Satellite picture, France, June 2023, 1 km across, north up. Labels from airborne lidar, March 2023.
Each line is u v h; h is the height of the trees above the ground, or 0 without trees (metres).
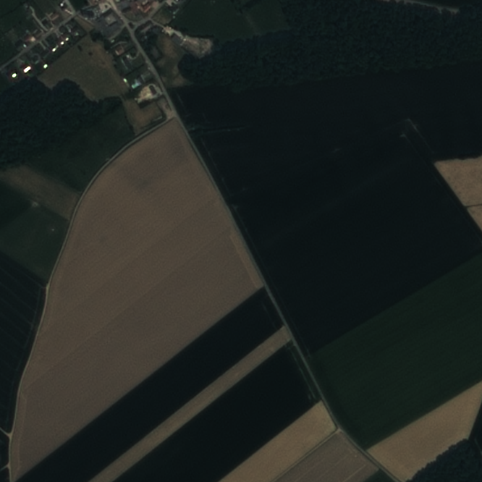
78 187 0
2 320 0
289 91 0
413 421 0
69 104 22
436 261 0
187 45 0
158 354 0
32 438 0
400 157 0
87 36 0
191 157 0
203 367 0
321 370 0
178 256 0
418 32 27
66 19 0
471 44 26
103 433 0
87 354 0
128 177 0
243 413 0
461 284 0
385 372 0
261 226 0
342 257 0
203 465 0
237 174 0
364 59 24
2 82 0
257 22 0
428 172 0
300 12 23
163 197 0
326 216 0
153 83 0
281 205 0
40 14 0
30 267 0
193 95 0
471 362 0
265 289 0
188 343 0
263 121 0
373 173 0
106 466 0
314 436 0
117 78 0
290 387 0
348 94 0
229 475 0
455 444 0
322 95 0
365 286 0
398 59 23
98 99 0
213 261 0
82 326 0
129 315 0
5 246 0
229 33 0
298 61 27
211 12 0
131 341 0
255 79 21
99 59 0
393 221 0
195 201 0
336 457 0
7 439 0
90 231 0
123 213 0
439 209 0
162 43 0
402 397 0
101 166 0
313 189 0
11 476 0
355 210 0
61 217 0
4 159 20
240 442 0
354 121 0
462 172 0
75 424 0
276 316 0
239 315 0
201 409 0
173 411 0
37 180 0
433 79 0
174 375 0
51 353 0
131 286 0
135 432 0
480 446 0
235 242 0
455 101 0
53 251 0
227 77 24
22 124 23
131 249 0
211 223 0
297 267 0
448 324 0
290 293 0
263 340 0
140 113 0
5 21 0
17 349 0
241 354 0
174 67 0
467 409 0
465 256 0
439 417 0
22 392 0
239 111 0
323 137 0
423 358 0
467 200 0
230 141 0
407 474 0
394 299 0
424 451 0
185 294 0
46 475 0
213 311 0
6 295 0
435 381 0
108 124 0
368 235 0
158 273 0
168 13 0
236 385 0
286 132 0
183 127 0
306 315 0
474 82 0
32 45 0
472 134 0
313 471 0
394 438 0
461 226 0
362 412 0
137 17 0
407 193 0
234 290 0
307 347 0
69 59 0
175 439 0
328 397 0
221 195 0
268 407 0
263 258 0
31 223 0
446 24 24
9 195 0
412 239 0
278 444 0
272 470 0
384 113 0
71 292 0
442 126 0
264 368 0
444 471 22
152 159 0
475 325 0
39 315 0
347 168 0
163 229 0
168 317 0
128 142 0
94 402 0
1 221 0
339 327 0
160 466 0
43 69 0
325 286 0
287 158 0
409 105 0
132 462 0
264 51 26
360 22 19
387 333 0
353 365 0
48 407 0
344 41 23
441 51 30
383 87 0
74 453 0
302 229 0
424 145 0
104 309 0
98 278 0
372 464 0
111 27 0
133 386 0
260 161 0
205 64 20
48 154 0
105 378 0
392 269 0
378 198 0
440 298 0
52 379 0
